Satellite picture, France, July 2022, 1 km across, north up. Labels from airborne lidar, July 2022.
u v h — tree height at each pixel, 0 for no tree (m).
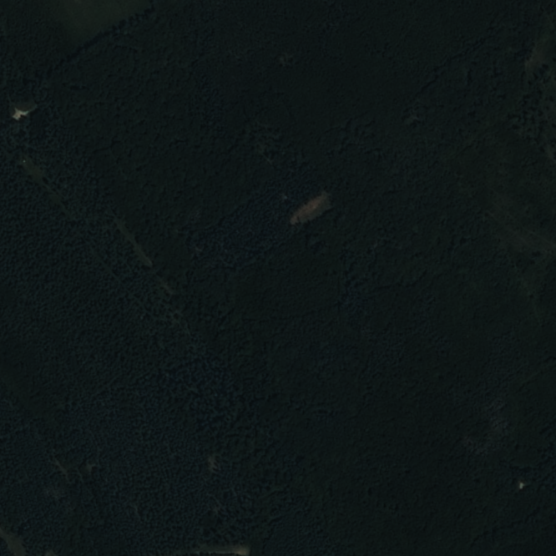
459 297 11
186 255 21
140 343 19
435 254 11
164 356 13
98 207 23
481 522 21
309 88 12
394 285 22
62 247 21
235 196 19
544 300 10
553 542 11
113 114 25
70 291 18
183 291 6
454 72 24
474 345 17
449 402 17
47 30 9
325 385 27
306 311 9
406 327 17
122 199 19
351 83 15
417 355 18
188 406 24
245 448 19
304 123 16
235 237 28
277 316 10
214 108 21
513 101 23
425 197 15
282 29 13
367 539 21
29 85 25
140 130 22
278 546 16
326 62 15
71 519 8
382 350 17
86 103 21
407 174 14
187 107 20
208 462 18
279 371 24
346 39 14
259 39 13
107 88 24
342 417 22
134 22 19
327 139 16
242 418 14
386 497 20
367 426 21
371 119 13
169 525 23
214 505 20
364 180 25
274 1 14
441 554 13
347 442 23
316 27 12
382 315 23
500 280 19
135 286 26
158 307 19
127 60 25
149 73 20
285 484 13
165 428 20
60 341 16
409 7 13
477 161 6
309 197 21
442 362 18
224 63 10
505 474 23
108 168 21
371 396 19
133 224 22
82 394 22
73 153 23
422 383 18
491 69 23
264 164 23
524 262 8
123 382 21
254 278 11
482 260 16
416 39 13
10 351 19
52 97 15
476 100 22
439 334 15
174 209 22
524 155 6
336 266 8
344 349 24
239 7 13
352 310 21
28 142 26
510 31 23
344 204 15
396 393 22
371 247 16
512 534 25
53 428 14
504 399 12
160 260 23
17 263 20
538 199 7
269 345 20
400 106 14
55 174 21
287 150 17
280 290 13
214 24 14
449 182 19
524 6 23
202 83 18
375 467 17
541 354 21
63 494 14
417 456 21
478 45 14
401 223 18
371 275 21
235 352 13
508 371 18
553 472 15
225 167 25
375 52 16
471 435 19
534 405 12
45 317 15
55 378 15
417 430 17
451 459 19
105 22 0
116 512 17
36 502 19
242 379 13
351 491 15
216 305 7
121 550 14
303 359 28
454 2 11
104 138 21
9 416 20
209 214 18
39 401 15
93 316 21
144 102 22
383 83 12
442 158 15
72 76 24
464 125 20
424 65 10
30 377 15
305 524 13
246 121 16
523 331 12
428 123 18
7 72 22
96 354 20
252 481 17
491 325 14
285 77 15
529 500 15
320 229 7
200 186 23
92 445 17
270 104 16
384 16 14
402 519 19
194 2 16
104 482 21
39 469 14
